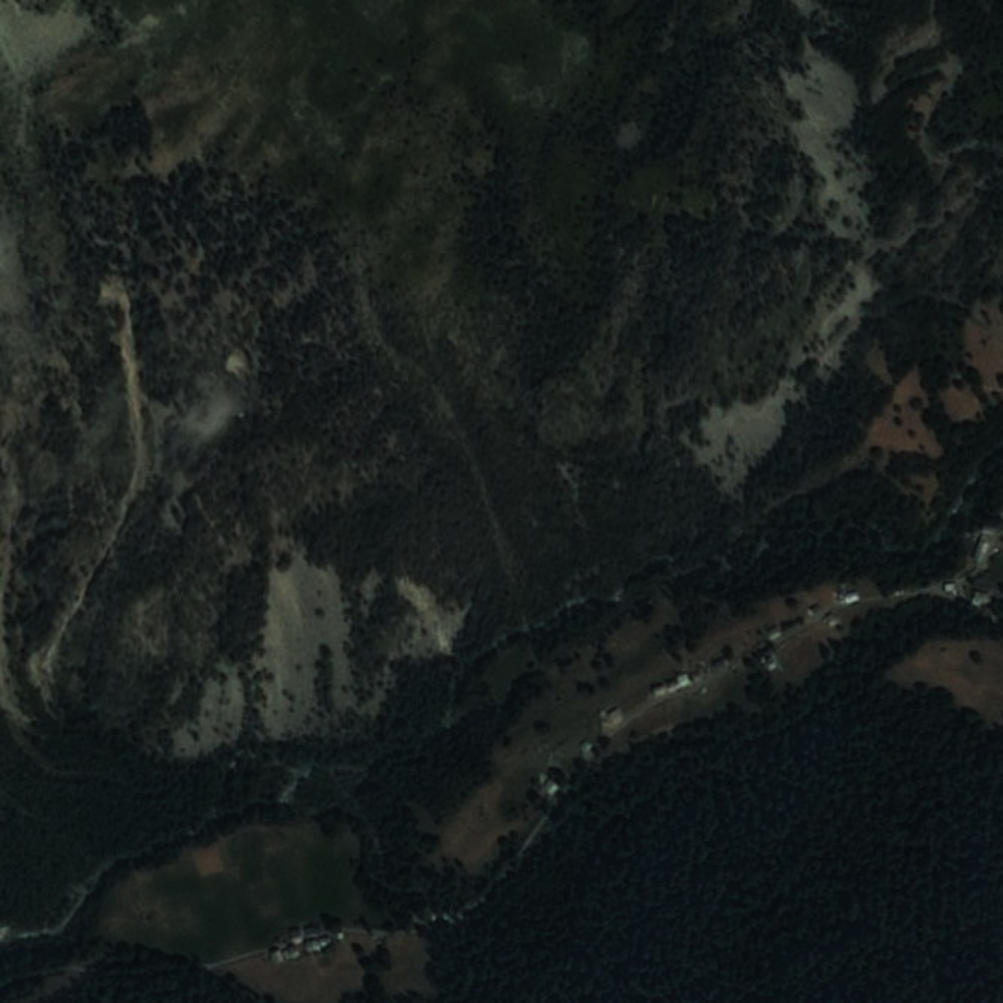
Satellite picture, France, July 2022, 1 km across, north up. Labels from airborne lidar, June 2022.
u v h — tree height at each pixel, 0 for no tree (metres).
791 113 8
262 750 13
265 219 17
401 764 16
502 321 9
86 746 15
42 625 11
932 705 14
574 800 21
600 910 9
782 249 9
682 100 12
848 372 16
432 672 19
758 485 28
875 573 19
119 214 6
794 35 19
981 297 11
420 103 7
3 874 14
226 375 16
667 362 9
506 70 0
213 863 0
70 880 10
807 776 35
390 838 18
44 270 9
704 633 11
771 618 0
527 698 11
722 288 13
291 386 13
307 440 12
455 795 11
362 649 12
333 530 10
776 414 0
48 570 7
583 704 0
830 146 9
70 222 10
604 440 9
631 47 6
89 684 8
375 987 16
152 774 14
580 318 9
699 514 14
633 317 7
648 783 30
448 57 0
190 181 17
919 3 13
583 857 15
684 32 8
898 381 10
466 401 10
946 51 6
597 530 10
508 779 0
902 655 12
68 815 17
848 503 18
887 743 11
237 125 0
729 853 23
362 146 0
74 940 10
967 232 10
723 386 7
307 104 0
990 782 16
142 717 10
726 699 0
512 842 7
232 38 0
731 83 10
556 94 0
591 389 10
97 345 8
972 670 0
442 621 0
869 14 7
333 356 10
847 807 13
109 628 12
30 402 7
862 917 8
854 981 17
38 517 9
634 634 0
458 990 19
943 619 26
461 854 0
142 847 19
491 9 0
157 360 20
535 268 12
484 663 13
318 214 8
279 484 10
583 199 8
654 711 0
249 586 13
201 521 15
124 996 17
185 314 9
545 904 13
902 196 9
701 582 16
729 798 28
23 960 22
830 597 0
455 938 23
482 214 14
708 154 11
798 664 0
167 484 10
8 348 8
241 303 8
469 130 6
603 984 27
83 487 8
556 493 9
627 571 14
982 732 14
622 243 9
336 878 0
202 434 17
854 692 15
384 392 13
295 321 21
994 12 6
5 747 10
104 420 8
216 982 26
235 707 0
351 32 0
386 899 15
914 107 7
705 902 28
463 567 13
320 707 8
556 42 0
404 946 0
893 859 11
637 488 11
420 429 13
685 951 25
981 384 10
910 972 25
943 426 13
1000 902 28
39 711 8
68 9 0
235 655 13
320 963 0
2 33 0
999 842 34
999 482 20
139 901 0
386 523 16
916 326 21
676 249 19
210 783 27
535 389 10
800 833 31
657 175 0
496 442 14
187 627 7
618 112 14
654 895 21
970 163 9
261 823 10
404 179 0
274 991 0
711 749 21
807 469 17
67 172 9
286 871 0
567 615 9
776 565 17
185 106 0
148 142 18
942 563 15
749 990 13
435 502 14
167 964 17
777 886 14
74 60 0
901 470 17
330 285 14
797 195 7
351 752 17
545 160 6
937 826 9
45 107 0
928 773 13
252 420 15
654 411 18
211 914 0
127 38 0
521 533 8
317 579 0
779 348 13
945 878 21
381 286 8
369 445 13
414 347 7
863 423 6
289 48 0
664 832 19
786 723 14
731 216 16
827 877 26
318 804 11
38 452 14
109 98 0
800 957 36
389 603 10
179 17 0
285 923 0
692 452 11
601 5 6
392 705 17
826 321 0
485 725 17
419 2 0
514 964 16
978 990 7
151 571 13
